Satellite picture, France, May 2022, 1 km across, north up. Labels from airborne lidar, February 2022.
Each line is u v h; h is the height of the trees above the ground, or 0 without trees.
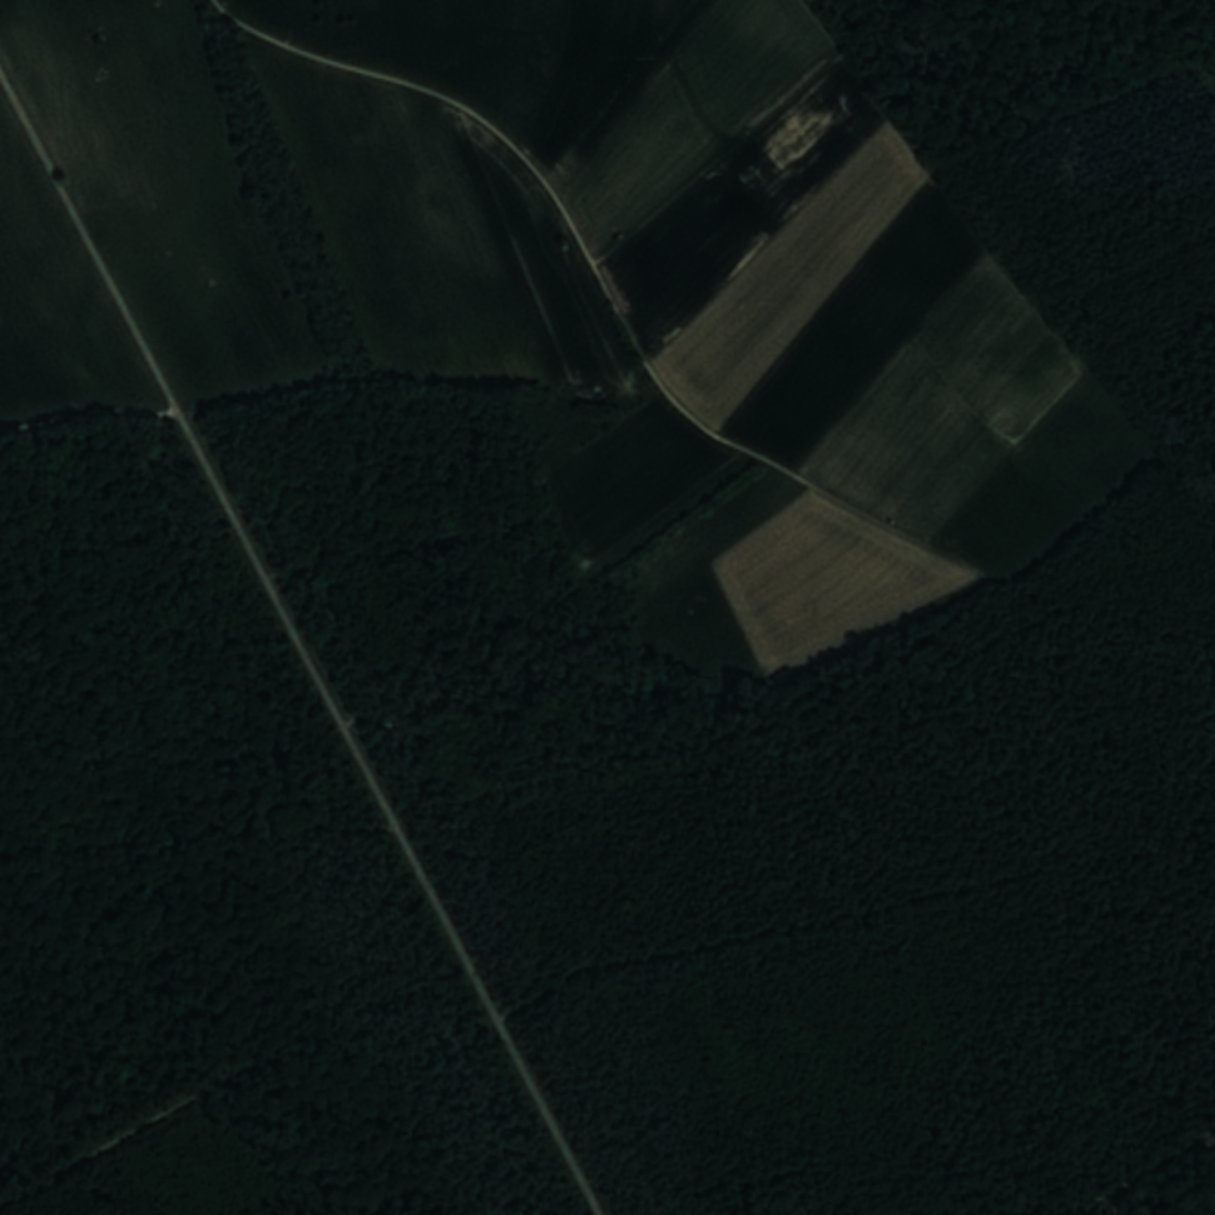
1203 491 16
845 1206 20
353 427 25
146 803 25
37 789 23
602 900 18
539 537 19
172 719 25
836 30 16
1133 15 22
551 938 16
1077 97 25
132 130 0
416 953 28
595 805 18
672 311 0
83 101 0
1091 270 18
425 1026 25
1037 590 14
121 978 25
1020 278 15
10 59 0
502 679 18
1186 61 20
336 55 0
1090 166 19
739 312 0
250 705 26
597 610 16
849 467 0
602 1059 19
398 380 15
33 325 0
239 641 11
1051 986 23
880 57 21
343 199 0
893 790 23
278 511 22
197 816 26
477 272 0
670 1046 18
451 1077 28
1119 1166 20
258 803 26
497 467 27
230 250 0
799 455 0
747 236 0
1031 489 0
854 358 0
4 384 0
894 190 0
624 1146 14
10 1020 24
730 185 0
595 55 0
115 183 0
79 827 21
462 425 11
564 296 0
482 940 20
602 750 21
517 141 0
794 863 21
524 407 15
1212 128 20
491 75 0
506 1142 25
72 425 20
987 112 24
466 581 24
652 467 0
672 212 0
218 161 0
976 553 0
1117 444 0
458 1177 25
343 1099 28
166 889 28
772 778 24
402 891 16
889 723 22
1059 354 0
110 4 0
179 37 0
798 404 0
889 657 26
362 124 0
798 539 0
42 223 0
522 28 0
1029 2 22
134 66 0
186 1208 10
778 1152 20
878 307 0
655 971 22
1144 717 21
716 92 0
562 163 0
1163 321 6
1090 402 0
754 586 0
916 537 0
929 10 27
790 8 0
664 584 0
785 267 0
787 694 22
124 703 22
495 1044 21
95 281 0
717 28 0
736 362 0
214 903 27
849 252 0
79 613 26
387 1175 26
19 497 22
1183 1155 24
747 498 0
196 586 23
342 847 24
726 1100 17
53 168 0
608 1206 7
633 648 19
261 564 0
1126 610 18
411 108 0
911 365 0
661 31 0
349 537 28
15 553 24
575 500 0
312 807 26
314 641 15
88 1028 24
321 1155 27
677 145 0
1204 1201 27
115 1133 8
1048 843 19
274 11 0
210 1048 28
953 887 16
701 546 0
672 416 0
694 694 21
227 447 17
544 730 23
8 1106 27
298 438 26
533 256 0
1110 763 20
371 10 0
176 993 25
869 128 0
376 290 0
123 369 0
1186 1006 28
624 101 0
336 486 25
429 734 27
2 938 25
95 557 24
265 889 25
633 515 0
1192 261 6
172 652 24
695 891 19
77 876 22
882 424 0
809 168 0
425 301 0
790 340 0
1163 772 23
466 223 0
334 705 0
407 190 0
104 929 24
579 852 18
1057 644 22
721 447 0
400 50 0
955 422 0
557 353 0
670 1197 20
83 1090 23
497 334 0
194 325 0
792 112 0
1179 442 15
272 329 0
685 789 19
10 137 0
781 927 17
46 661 24
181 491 19
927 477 0
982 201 17
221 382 0
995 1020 21
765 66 0
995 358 0
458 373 0
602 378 0
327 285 16
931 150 24
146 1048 15
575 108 0
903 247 0
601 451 0
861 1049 18
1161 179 18
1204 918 25
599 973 15
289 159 11
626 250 0
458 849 22
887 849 22
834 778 24
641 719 25
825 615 0
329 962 25
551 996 17
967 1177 24
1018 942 19
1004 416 0
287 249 13
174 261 0
